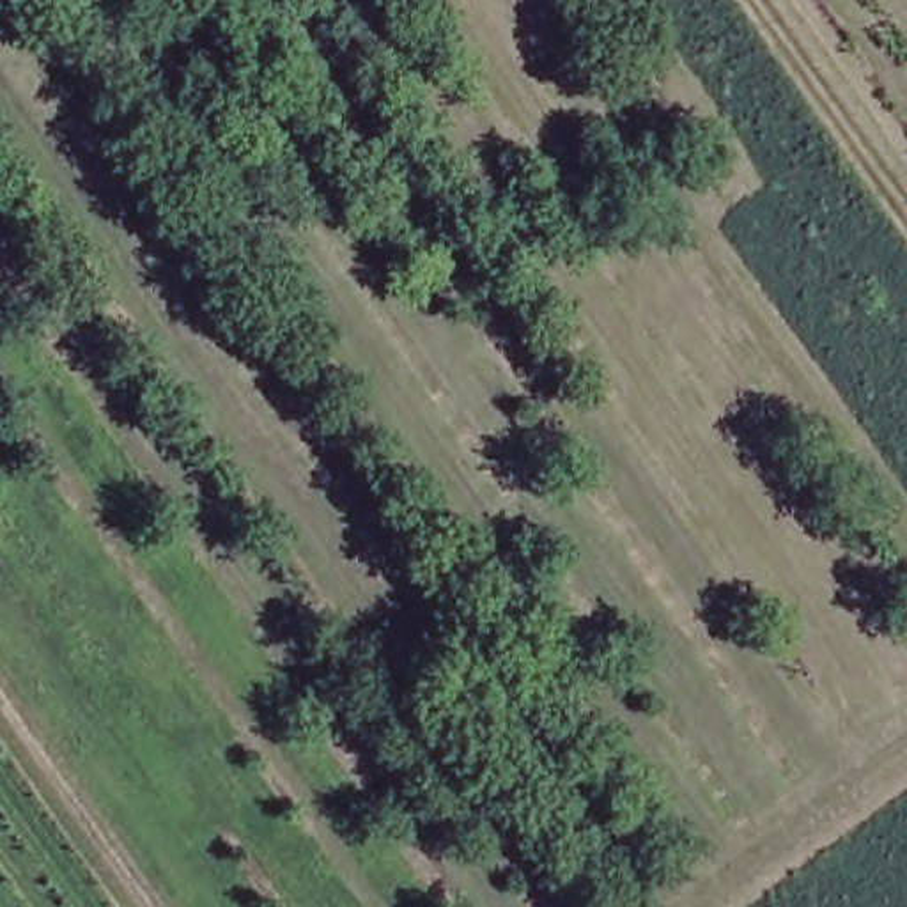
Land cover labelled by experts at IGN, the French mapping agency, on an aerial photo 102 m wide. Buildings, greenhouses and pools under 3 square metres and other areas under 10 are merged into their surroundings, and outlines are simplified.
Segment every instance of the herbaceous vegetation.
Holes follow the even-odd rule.
[[[670,53],[670,71],[648,81],[655,103],[634,103],[620,113],[609,113],[624,142],[638,145],[641,135],[673,135],[687,113],[709,117],[716,110],[705,85],[691,74],[684,53]]]
[[[14,220],[0,213],[0,266],[18,269],[25,276],[25,269],[32,266],[28,244],[35,241],[35,216]]]
[[[358,131],[368,142],[379,138],[390,124],[376,103],[361,99],[361,43],[337,43],[326,21],[312,14],[308,39],[326,60],[337,89],[344,92],[351,131]]]
[[[489,103],[468,92],[464,103],[450,106],[446,138],[454,145],[478,142],[478,159],[496,195],[503,195],[510,181],[507,167],[500,163],[503,149],[510,142],[524,149],[539,142],[542,152],[556,163],[556,184],[563,198],[585,198],[592,184],[592,167],[585,159],[585,113],[606,113],[606,103],[599,96],[585,96],[588,85],[578,78],[570,35],[556,0],[450,0],[464,50],[485,57],[485,64],[492,67],[492,81]]]
[[[64,811],[57,790],[46,783],[25,744],[0,716],[0,907],[138,907],[113,879],[99,850],[74,826],[74,818]]]
[[[439,244],[436,195],[415,191],[407,198],[407,220],[418,230],[425,230],[429,244]]]
[[[379,7],[376,0],[351,0],[361,21],[379,35],[379,43],[386,43],[393,28],[386,21],[386,7]]]
[[[230,35],[202,18],[202,25],[191,35],[174,39],[163,50],[159,71],[163,96],[170,103],[181,92],[181,78],[191,57],[202,53],[213,67],[227,67],[237,57]]]
[[[482,283],[482,269],[468,248],[454,255],[450,276],[461,291]]]
[[[411,648],[415,627],[432,634],[432,602],[411,581],[411,542],[400,528],[386,521],[383,507],[376,503],[365,482],[365,471],[354,464],[354,454],[337,436],[319,429],[319,415],[308,404],[308,397],[298,386],[291,386],[248,344],[223,337],[213,312],[205,308],[205,273],[198,280],[181,276],[184,259],[191,252],[159,237],[149,191],[120,177],[106,156],[106,142],[120,138],[120,131],[113,120],[96,120],[92,113],[103,85],[99,71],[92,64],[71,67],[50,57],[39,67],[32,53],[11,46],[14,21],[0,11],[0,117],[18,124],[25,145],[39,156],[39,167],[46,170],[50,184],[64,191],[64,198],[81,216],[103,216],[96,230],[110,252],[110,266],[103,276],[103,315],[67,329],[53,347],[39,340],[39,333],[32,337],[18,329],[4,329],[0,344],[0,376],[11,393],[11,404],[39,393],[39,411],[28,422],[28,443],[35,443],[35,450],[53,464],[57,478],[53,485],[32,489],[32,482],[18,471],[28,461],[14,443],[0,439],[0,680],[25,712],[28,726],[43,737],[50,755],[64,762],[67,776],[117,829],[120,843],[138,861],[149,886],[163,896],[163,907],[578,907],[563,889],[553,889],[556,875],[542,872],[524,854],[517,826],[510,826],[500,836],[503,864],[492,875],[485,875],[475,864],[443,857],[454,843],[450,818],[418,826],[418,847],[411,847],[383,840],[372,826],[361,843],[344,843],[333,833],[329,818],[319,815],[319,808],[308,815],[305,829],[298,829],[298,822],[291,818],[291,808],[312,808],[319,794],[329,794],[337,787],[361,787],[372,804],[379,804],[386,794],[404,790],[404,772],[383,765],[379,751],[358,730],[344,744],[337,744],[333,730],[308,730],[305,740],[266,740],[248,712],[248,694],[255,684],[273,684],[273,677],[283,673],[291,687],[308,694],[315,680],[308,666],[315,634],[305,627],[308,609],[344,616],[351,638],[376,638],[393,655],[404,655]],[[117,319],[135,333],[149,329],[163,337],[168,368],[202,393],[202,411],[195,415],[202,432],[213,439],[227,439],[234,446],[230,464],[241,471],[244,496],[223,496],[213,471],[198,471],[191,482],[184,482],[184,471],[174,461],[163,461],[152,439],[135,429],[142,422],[142,390],[135,386],[135,379],[120,386],[110,379],[117,340],[106,337],[106,319]],[[163,503],[163,492],[188,496],[195,485],[202,535],[145,565],[138,563],[128,542],[138,535],[145,521],[152,521],[156,507]],[[273,510],[287,514],[287,521],[294,521],[308,535],[308,542],[298,546],[298,553],[283,563],[301,574],[308,588],[305,599],[273,599],[269,581],[259,570],[259,560],[248,553],[237,553],[234,560],[216,560],[209,553],[209,546],[234,546],[234,539],[244,531],[248,503],[259,500],[269,500]]]
[[[415,457],[411,468],[425,468],[443,482],[446,510],[471,521],[500,514],[492,521],[500,560],[507,560],[517,549],[524,521],[539,521],[553,535],[570,539],[578,556],[570,570],[560,574],[560,599],[578,613],[578,620],[570,624],[574,638],[609,638],[620,627],[620,620],[641,620],[652,631],[652,670],[641,673],[638,691],[655,694],[663,709],[655,716],[631,712],[606,684],[595,684],[592,712],[602,712],[606,723],[631,726],[631,737],[638,737],[634,751],[648,758],[652,779],[663,783],[655,801],[673,818],[687,818],[691,836],[705,836],[712,843],[712,854],[691,864],[687,882],[673,889],[652,889],[655,900],[648,907],[751,907],[755,900],[762,900],[765,889],[787,879],[787,872],[801,868],[818,850],[843,840],[850,829],[868,822],[879,808],[886,808],[907,790],[907,641],[889,634],[864,634],[882,613],[889,613],[896,585],[889,581],[886,567],[857,567],[850,560],[840,560],[840,542],[811,539],[818,531],[815,485],[794,485],[787,478],[787,464],[772,454],[772,439],[790,425],[790,407],[818,411],[833,418],[847,454],[854,454],[879,475],[882,496],[907,492],[907,489],[872,443],[872,436],[861,429],[833,379],[808,354],[790,322],[779,315],[776,301],[762,291],[755,273],[737,255],[737,248],[723,237],[726,209],[758,191],[758,170],[748,156],[744,138],[737,138],[726,142],[730,177],[709,184],[705,191],[684,191],[680,205],[687,209],[687,227],[698,234],[698,244],[691,252],[648,244],[638,255],[599,252],[592,266],[560,262],[549,269],[549,287],[563,298],[581,301],[581,329],[578,337],[570,337],[567,351],[570,358],[595,358],[602,365],[599,407],[553,400],[563,390],[563,376],[546,372],[546,361],[535,358],[528,344],[531,333],[521,326],[521,315],[510,305],[503,305],[485,329],[478,322],[450,322],[443,315],[425,315],[400,298],[386,298],[390,273],[411,266],[407,248],[393,241],[351,244],[340,234],[340,227],[347,223],[344,188],[333,181],[333,174],[322,170],[326,142],[319,135],[301,135],[291,142],[308,170],[315,195],[326,202],[326,223],[308,223],[308,269],[315,273],[326,294],[326,315],[340,326],[340,340],[329,347],[329,365],[344,365],[365,376],[365,383],[372,386],[368,407],[358,422],[397,432]],[[592,489],[578,489],[574,496],[567,489],[531,496],[531,489],[542,478],[542,461],[563,443],[563,432],[578,446],[595,450],[599,482]],[[719,641],[730,627],[733,609],[751,606],[758,595],[769,595],[797,609],[794,645],[779,655]]]
[[[822,74],[843,96],[850,113],[872,135],[882,159],[907,184],[907,64],[893,64],[882,50],[868,43],[868,28],[875,25],[868,14],[872,0],[774,0],[783,18],[797,28],[811,60],[822,67]]]

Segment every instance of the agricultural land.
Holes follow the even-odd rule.
[[[850,829],[843,840],[818,850],[801,868],[787,872],[787,879],[765,889],[762,900],[755,900],[751,907],[907,907],[907,790],[886,808],[879,808],[868,822]]]
[[[854,170],[840,159],[833,138],[811,117],[801,92],[769,57],[765,43],[733,0],[663,0],[673,18],[673,28],[680,32],[680,43],[670,43],[670,53],[684,53],[691,74],[705,85],[716,110],[730,113],[737,138],[744,138],[748,156],[758,170],[758,191],[726,209],[723,237],[737,248],[737,255],[755,273],[762,291],[776,301],[779,315],[790,322],[808,354],[833,379],[861,429],[872,436],[872,443],[907,489],[907,244],[868,198]]]

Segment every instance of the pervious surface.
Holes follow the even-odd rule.
[[[0,716],[25,744],[46,783],[57,790],[64,811],[74,818],[74,826],[99,850],[113,879],[138,907],[163,907],[163,896],[149,886],[138,861],[120,843],[117,829],[67,776],[64,762],[50,755],[43,737],[28,726],[25,712],[0,680]]]
[[[868,198],[907,244],[907,184],[882,159],[872,135],[850,113],[843,96],[822,74],[822,67],[811,60],[797,28],[783,18],[774,0],[733,0],[765,43],[769,57],[801,92],[811,117],[833,138],[840,159],[854,170]]]

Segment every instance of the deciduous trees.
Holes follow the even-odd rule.
[[[244,496],[241,471],[230,464],[234,446],[227,439],[213,439],[202,432],[195,415],[202,411],[202,393],[168,368],[163,337],[149,329],[135,333],[117,319],[106,319],[106,337],[117,340],[110,379],[120,386],[135,379],[135,386],[142,390],[142,422],[135,429],[152,439],[163,461],[174,461],[184,471],[184,482],[191,482],[198,471],[213,471],[223,496]]]
[[[797,609],[769,595],[758,595],[751,606],[733,609],[730,627],[719,641],[779,655],[794,645]]]
[[[893,64],[907,64],[907,0],[872,0],[868,14],[875,25],[868,28],[868,43],[882,50]]]
[[[818,531],[811,539],[840,542],[840,560],[850,560],[857,567],[886,567],[889,581],[896,585],[889,613],[882,613],[864,634],[889,634],[907,641],[907,492],[882,496],[879,475],[854,454],[847,454],[833,418],[818,411],[790,407],[790,425],[772,439],[772,454],[787,464],[787,478],[794,485],[815,485]]]
[[[32,489],[53,485],[57,478],[53,464],[35,450],[35,443],[28,443],[28,422],[39,411],[39,393],[11,404],[11,393],[0,376],[0,439],[14,443],[28,461],[18,471],[32,482]]]
[[[305,599],[308,588],[301,574],[283,563],[298,553],[298,546],[308,542],[308,535],[294,521],[287,521],[287,514],[273,510],[269,500],[259,500],[248,503],[244,531],[234,539],[234,546],[209,546],[209,553],[216,560],[234,560],[237,553],[248,553],[259,560],[259,570],[269,581],[273,599]]]
[[[567,489],[574,496],[578,489],[592,489],[599,482],[595,450],[578,446],[563,432],[563,443],[542,461],[542,478],[531,489],[531,496]]]
[[[152,521],[145,521],[138,535],[128,542],[138,563],[145,565],[202,535],[195,485],[188,496],[163,492],[163,503],[156,507]]]
[[[67,329],[103,315],[103,276],[110,266],[110,252],[96,230],[103,216],[81,216],[64,198],[64,191],[50,184],[46,170],[39,167],[39,156],[25,145],[18,124],[0,117],[0,213],[14,220],[35,216],[35,241],[28,244],[32,266],[25,269],[25,276],[18,269],[0,266],[0,344],[4,329],[18,329],[32,337],[39,333],[39,340],[53,347]]]
[[[361,787],[337,787],[329,794],[319,794],[312,808],[291,808],[291,818],[298,822],[298,829],[305,829],[308,815],[319,808],[319,815],[329,818],[333,833],[344,843],[361,843],[372,826],[383,840],[411,847],[418,847],[418,826],[450,818],[454,843],[443,857],[475,864],[485,875],[492,875],[503,864],[500,836],[510,826],[517,826],[524,854],[542,872],[556,875],[553,889],[563,889],[578,907],[648,907],[655,900],[652,889],[673,889],[687,882],[691,864],[712,854],[712,843],[705,836],[691,836],[687,818],[673,818],[655,801],[663,783],[652,779],[648,758],[634,751],[638,737],[631,737],[631,726],[606,723],[602,712],[592,712],[595,684],[606,684],[631,712],[655,716],[663,709],[655,694],[638,691],[641,673],[652,670],[652,631],[641,620],[620,620],[620,627],[609,638],[574,638],[570,624],[578,620],[578,613],[560,599],[560,574],[570,570],[578,556],[570,539],[553,535],[539,521],[524,521],[517,549],[507,560],[500,560],[492,521],[500,514],[471,521],[446,510],[443,482],[425,468],[411,468],[415,457],[397,432],[358,422],[368,407],[372,386],[365,383],[365,376],[344,365],[329,365],[329,347],[340,340],[340,326],[326,315],[326,294],[315,273],[308,269],[308,223],[326,223],[326,202],[315,195],[308,170],[291,142],[301,135],[319,135],[326,142],[322,170],[333,174],[333,181],[344,188],[347,223],[340,227],[340,234],[351,244],[393,241],[407,248],[411,266],[390,273],[386,298],[400,298],[425,315],[443,315],[450,322],[478,322],[485,329],[503,305],[510,305],[521,315],[521,326],[531,333],[528,344],[535,358],[546,361],[546,372],[563,376],[563,390],[553,400],[599,407],[602,365],[595,358],[570,358],[567,351],[570,337],[578,337],[581,329],[581,301],[563,298],[549,287],[549,269],[560,262],[592,266],[599,252],[638,255],[648,244],[691,252],[698,244],[698,234],[687,227],[687,209],[680,205],[684,191],[705,191],[709,184],[730,177],[726,142],[737,138],[730,113],[716,110],[709,117],[687,113],[673,135],[641,135],[638,145],[624,142],[609,113],[620,113],[634,103],[655,103],[648,81],[670,71],[670,53],[670,43],[680,43],[680,32],[673,28],[673,18],[663,0],[556,0],[570,35],[578,78],[588,85],[585,96],[599,96],[606,103],[606,113],[585,113],[585,159],[592,167],[592,184],[585,198],[563,198],[556,184],[556,163],[542,152],[539,142],[524,149],[510,142],[503,149],[500,163],[507,167],[510,181],[503,195],[496,195],[478,159],[478,142],[454,145],[446,138],[450,106],[464,103],[468,92],[489,103],[492,81],[492,67],[485,64],[485,57],[464,50],[450,0],[376,0],[379,7],[386,7],[386,21],[393,28],[386,43],[379,43],[379,35],[361,21],[351,0],[0,0],[0,11],[14,21],[11,46],[32,53],[39,67],[50,57],[71,67],[92,64],[99,71],[103,85],[92,113],[96,120],[113,120],[120,131],[120,138],[106,142],[106,156],[120,177],[149,191],[159,237],[191,252],[184,259],[181,276],[198,280],[205,273],[205,308],[213,312],[223,337],[248,344],[291,386],[298,386],[308,397],[308,404],[319,415],[319,429],[337,436],[354,454],[354,464],[365,471],[365,482],[376,503],[383,507],[386,521],[400,528],[411,542],[411,581],[432,602],[432,634],[415,627],[411,648],[404,655],[393,655],[376,638],[351,638],[344,616],[308,609],[305,627],[315,634],[308,666],[315,680],[308,694],[291,687],[283,673],[273,677],[273,684],[255,684],[248,694],[248,712],[266,740],[305,740],[308,730],[333,730],[337,744],[344,744],[358,730],[379,751],[383,765],[404,772],[404,790],[386,794],[379,804],[372,804]],[[326,60],[308,39],[312,14],[326,21],[337,43],[361,43],[361,99],[376,103],[390,124],[379,138],[368,142],[358,131],[351,131],[344,92],[337,89]],[[227,67],[213,67],[202,53],[191,57],[181,78],[181,92],[170,103],[163,96],[159,71],[163,50],[174,39],[191,35],[202,25],[202,18],[230,35],[237,57]],[[407,198],[415,191],[436,195],[439,244],[429,244],[425,230],[418,230],[407,220]],[[450,276],[454,255],[468,248],[482,269],[482,283],[461,291]]]

